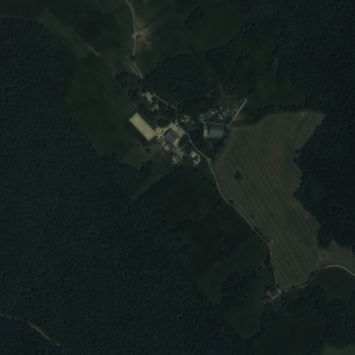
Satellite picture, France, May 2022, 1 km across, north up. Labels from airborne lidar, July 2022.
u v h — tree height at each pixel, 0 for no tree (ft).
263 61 0
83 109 0
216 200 0
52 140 84
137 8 0
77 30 0
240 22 0
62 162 88
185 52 0
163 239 71
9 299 52
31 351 83
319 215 84
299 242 0
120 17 0
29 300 90
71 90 0
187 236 0
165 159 0
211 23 0
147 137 0
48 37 85
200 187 0
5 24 85
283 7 70
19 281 43
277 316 64
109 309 76
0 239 80
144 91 50
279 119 0
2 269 91
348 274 0
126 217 81
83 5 0
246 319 0
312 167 94
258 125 0
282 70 66
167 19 0
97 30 0
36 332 64
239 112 0
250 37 77
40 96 78
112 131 0
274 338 0
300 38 40
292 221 0
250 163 0
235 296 60
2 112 90
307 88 77
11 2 0
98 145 0
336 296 0
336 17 85
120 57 0
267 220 0
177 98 21
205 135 0
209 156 36
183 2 0
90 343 59
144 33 0
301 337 0
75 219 83
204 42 0
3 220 56
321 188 76
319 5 70
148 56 0
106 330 73
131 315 63
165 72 62
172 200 0
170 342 62
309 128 0
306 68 64
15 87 70
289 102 0
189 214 0
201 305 71
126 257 74
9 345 76
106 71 0
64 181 67
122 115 0
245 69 0
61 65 65
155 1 0
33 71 91
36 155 73
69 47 0
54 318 72
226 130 33
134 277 68
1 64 88
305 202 70
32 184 58
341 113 76
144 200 71
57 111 64
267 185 0
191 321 79
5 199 76
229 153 0
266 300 0
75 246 66
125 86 58
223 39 0
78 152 79
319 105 64
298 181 0
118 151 0
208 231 0
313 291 43
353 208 98
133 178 73
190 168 0
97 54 0
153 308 63
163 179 51
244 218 0
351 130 82
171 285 88
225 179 0
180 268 80
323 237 78
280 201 0
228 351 63
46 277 69
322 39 64
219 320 82
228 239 0
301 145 0
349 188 97
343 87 89
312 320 0
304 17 30
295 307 61
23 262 64
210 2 0
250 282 68
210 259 0
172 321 60
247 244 0
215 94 35
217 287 0
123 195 80
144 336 72
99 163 67
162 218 55
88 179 73
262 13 48
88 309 64
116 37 0
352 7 74
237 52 0
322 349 40
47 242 70
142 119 0
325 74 93
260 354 0
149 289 74
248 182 0
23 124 57
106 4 0
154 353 59
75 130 70
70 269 87
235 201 0
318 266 0
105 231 68
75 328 70
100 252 72
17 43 81
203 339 70
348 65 91
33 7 0
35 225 73
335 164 103
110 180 86
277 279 0
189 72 59
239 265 0
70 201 70
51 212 79
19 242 87
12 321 62
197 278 0
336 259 0
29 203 77
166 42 0
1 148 78
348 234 95
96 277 72
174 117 45
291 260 0
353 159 93
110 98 0
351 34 89
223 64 61
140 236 69
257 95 0
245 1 86
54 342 62
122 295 56
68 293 87
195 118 52
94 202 79
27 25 78
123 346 69
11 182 83
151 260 83
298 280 0
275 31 70
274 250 0
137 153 0
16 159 77
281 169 0
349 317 58
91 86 0
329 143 73
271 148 0
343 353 0
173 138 0
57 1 0
